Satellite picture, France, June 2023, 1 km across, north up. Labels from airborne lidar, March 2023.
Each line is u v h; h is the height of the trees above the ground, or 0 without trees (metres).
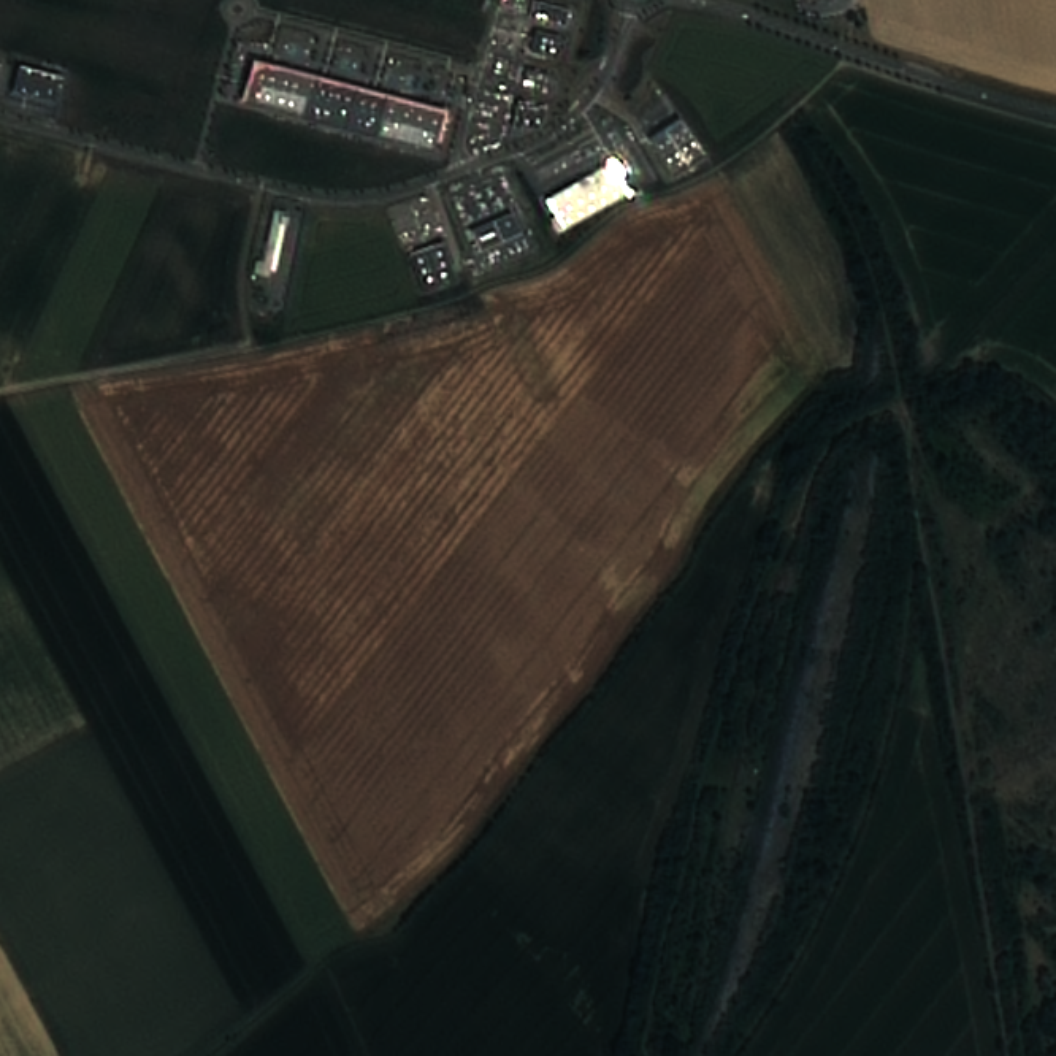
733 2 0
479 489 0
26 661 0
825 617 0
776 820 0
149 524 0
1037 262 0
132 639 0
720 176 0
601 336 0
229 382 0
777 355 0
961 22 0
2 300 0
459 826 0
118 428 0
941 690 6
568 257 0
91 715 0
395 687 0
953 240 0
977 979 0
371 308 0
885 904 0
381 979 0
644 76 0
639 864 0
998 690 0
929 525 8
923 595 5
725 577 0
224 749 0
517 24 0
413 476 0
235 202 0
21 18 0
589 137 0
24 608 0
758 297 0
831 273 0
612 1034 0
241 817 0
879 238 8
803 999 0
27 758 0
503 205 0
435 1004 0
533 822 0
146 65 0
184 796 0
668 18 0
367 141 0
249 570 0
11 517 0
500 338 0
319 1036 0
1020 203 0
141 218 0
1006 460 0
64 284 0
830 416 10
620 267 0
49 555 0
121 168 0
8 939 0
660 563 0
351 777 0
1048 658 0
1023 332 0
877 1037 0
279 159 0
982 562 0
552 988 0
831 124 0
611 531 0
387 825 0
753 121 0
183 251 0
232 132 0
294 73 0
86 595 0
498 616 0
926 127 0
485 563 0
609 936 0
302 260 0
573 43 0
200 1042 0
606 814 0
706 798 6
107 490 0
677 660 0
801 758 0
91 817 0
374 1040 0
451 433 0
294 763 0
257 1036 0
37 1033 0
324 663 0
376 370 0
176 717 0
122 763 0
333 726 0
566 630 0
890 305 7
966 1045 0
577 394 0
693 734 0
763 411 0
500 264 0
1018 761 0
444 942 0
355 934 0
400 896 0
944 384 7
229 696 0
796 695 0
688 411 0
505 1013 0
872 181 0
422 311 0
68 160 0
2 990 0
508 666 0
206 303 0
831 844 7
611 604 0
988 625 0
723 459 0
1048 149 0
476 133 0
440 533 0
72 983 0
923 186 0
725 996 0
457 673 0
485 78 0
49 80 0
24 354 0
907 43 0
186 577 0
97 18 0
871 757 9
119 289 0
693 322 0
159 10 0
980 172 0
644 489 0
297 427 0
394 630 0
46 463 0
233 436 0
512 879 0
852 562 0
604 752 0
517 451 0
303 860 0
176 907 0
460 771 0
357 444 0
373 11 0
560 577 0
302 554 0
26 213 0
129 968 0
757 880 0
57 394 0
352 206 0
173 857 0
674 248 0
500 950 0
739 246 0
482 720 0
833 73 0
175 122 0
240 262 0
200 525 0
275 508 0
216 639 0
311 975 0
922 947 0
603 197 0
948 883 0
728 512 0
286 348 0
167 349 0
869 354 0
